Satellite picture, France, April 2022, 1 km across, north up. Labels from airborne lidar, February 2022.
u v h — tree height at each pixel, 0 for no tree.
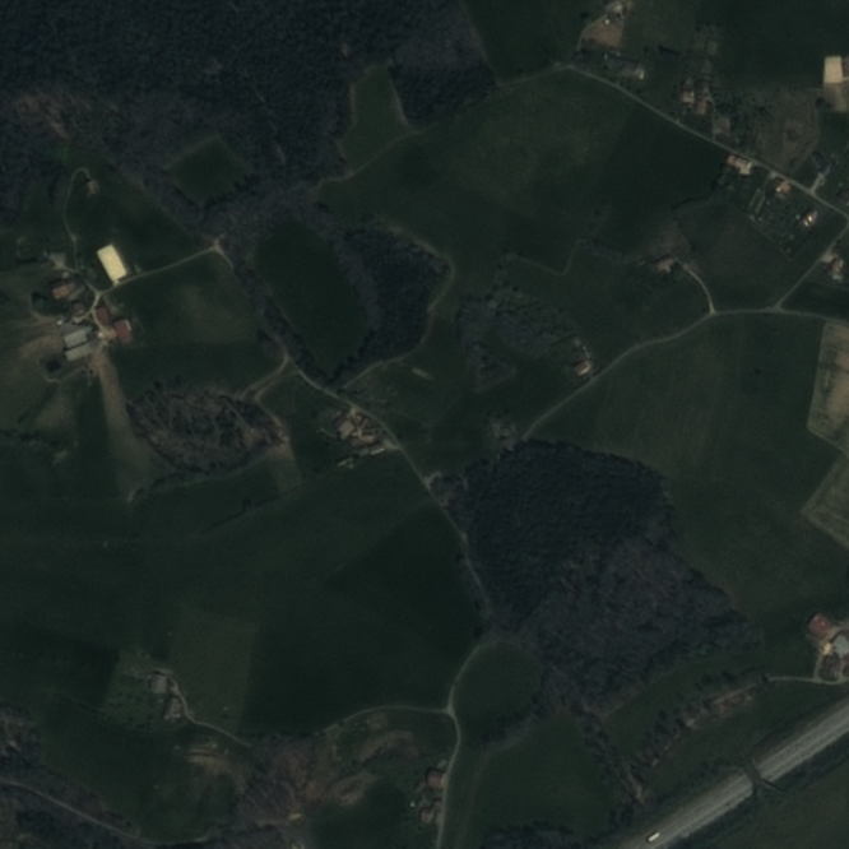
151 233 0
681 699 0
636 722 0
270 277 0
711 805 0
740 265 0
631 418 0
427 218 0
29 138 26
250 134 18
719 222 0
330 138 24
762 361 0
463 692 0
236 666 0
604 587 21
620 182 0
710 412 0
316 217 20
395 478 0
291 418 0
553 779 0
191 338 0
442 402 0
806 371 0
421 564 0
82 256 7
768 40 0
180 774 0
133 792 0
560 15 0
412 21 30
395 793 0
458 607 0
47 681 0
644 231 0
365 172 0
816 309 0
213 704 0
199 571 0
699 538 0
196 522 0
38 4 27
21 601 0
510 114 0
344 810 0
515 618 17
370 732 0
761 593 0
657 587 32
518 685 0
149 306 0
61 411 0
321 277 0
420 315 20
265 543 0
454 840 0
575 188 0
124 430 0
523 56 0
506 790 0
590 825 0
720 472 0
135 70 25
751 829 0
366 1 21
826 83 0
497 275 0
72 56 31
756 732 0
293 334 19
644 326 0
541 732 0
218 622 0
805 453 0
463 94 24
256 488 0
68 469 0
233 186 0
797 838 0
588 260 0
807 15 0
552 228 0
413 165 0
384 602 0
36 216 0
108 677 0
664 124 0
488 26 0
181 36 26
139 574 0
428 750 0
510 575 18
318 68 25
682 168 0
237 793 0
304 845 0
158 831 0
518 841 18
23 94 27
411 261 13
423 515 0
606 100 0
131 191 0
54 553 0
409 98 21
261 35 24
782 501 0
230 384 0
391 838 0
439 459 0
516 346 23
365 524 0
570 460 20
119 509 0
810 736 0
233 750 0
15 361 0
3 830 0
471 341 22
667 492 19
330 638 0
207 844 0
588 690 20
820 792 0
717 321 0
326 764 0
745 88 0
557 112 0
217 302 0
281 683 0
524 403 0
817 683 0
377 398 0
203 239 20
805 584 0
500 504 22
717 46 0
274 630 0
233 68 24
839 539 0
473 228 0
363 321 0
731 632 27
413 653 0
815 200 0
